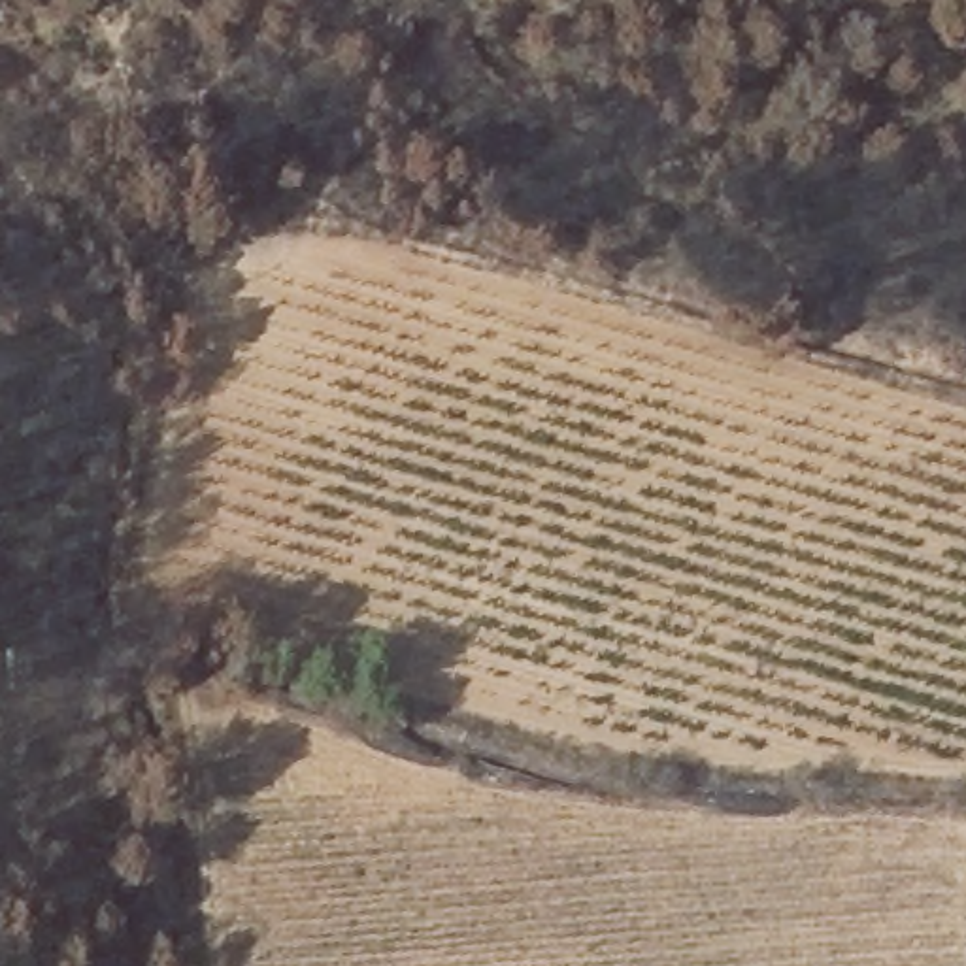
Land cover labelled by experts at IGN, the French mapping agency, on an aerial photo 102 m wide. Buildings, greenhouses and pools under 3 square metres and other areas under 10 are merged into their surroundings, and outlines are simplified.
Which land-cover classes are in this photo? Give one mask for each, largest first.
<instances>
[{"label":"vineyard","instance_id":"1","mask_svg":"<svg viewBox=\"0 0 966 966\"><path fill-rule=\"evenodd\" d=\"M185 287L200 291L208 306L189 317L192 358L174 362L177 381L166 396L162 445L155 453L151 479V513H121L113 532H143L140 562L143 574H151V581L162 585V592L170 596V611L174 619H204L234 604L245 611L253 626L249 638L260 649H275L279 641H287L291 649L309 645L317 653L336 634L355 638L362 626L389 630L385 657H396L408 668V683L396 687V706L404 709V717L426 725L441 721L453 706H464L475 717L506 721L555 740H574L581 747L600 743L626 755H691L709 766L755 774L853 758L860 770L875 774L966 777V404H951L924 392H898L872 377L841 374L830 355L800 351L792 358H766L758 347H743L717 336L706 321L672 313V302H683L687 294L660 291L653 279H641L634 272L626 275V298L615 302V294L604 287L555 279L547 272H491L487 260L441 249L434 242L374 238L358 223L340 219L336 208L317 196L306 219L291 223L283 234L249 242L238 260H223L208 272H185ZM162 732L151 736L147 747H136L132 758H143L174 777L170 819L192 834L196 853L208 860L204 932L211 943V966H966V819L936 815L928 808L906 815L864 808L834 815H725L694 808L687 800H664L660 808L604 804L592 796L551 789L487 785L483 777H464L449 766H426L377 751L358 743L355 736L336 732L313 713L283 709L275 702L253 698L249 691H242L223 709H204L192 694H181L166 706H151Z\"/></svg>","mask_w":966,"mask_h":966},{"label":"coniferous trees","instance_id":"2","mask_svg":"<svg viewBox=\"0 0 966 966\"><path fill-rule=\"evenodd\" d=\"M0 166L15 177L23 192H38L34 215L11 238L0 242V362H11L15 355H34L49 374L68 377L79 389V404L94 411L102 423H128V468H113L109 483L121 502V513H151V479L155 453L162 445L166 396L177 381L174 362L192 358L189 317L208 306L200 291L185 287V272H208L223 260H238L249 242L283 234L291 223L306 219L317 196L336 208L340 219L358 223L374 238L434 242L441 249L487 260L491 272H547L555 279L604 287L615 294V302L626 298V275L634 272L641 279H653L660 291L687 294L683 302H672V313L706 321L717 336L743 347H758L766 358H792L800 351L830 355L841 374L872 377L898 392H924L951 404H966V0H0ZM253 626L245 611L234 604L204 619H174L170 611L155 608L151 630L140 638V649L121 653L98 675H91L87 668H72L68 675L42 683L34 675L30 653L15 649V660L4 668L11 698H0V966H211V943L204 932L208 860L196 853L192 834L170 819L174 777L143 758H132L136 747H147L151 736L162 732L151 706H166L181 694H192L204 709H223L242 691H249L253 698L275 702L283 709L313 713L336 732L355 736L358 743L377 751L385 743V728H404V709L396 706V687L408 683V668L396 657H385L389 630L362 626L355 638L336 634L317 653L309 645L291 649L287 641H279L275 649H260L249 638Z\"/></svg>","mask_w":966,"mask_h":966},{"label":"bare soil","instance_id":"3","mask_svg":"<svg viewBox=\"0 0 966 966\"><path fill-rule=\"evenodd\" d=\"M38 192H23L15 177L0 166V242L11 238L34 215ZM128 423H102L94 411L79 404V389L68 377L49 374L34 355H15L11 362H0V698H11L4 668L15 660V649L30 653L34 675L42 683L68 675L72 668H87L91 675H98L121 653L140 649V638L151 630L155 608L170 611V596L162 592V585L151 581V574H143L140 562L143 532H113L121 513V502L109 483L113 468H128Z\"/></svg>","mask_w":966,"mask_h":966},{"label":"brushwood","instance_id":"4","mask_svg":"<svg viewBox=\"0 0 966 966\"><path fill-rule=\"evenodd\" d=\"M377 751L426 766H449L464 777H483L487 785L551 789L592 796L604 804L660 808L664 800H687L694 808L725 815H834L864 808L906 815L928 808L936 815L966 819V777L875 774L860 770L853 758L755 774L709 766L691 755H626L600 743L581 747L574 740H555L506 721L475 717L464 706H453L441 721L426 725L404 717V728H385V743Z\"/></svg>","mask_w":966,"mask_h":966}]
</instances>
